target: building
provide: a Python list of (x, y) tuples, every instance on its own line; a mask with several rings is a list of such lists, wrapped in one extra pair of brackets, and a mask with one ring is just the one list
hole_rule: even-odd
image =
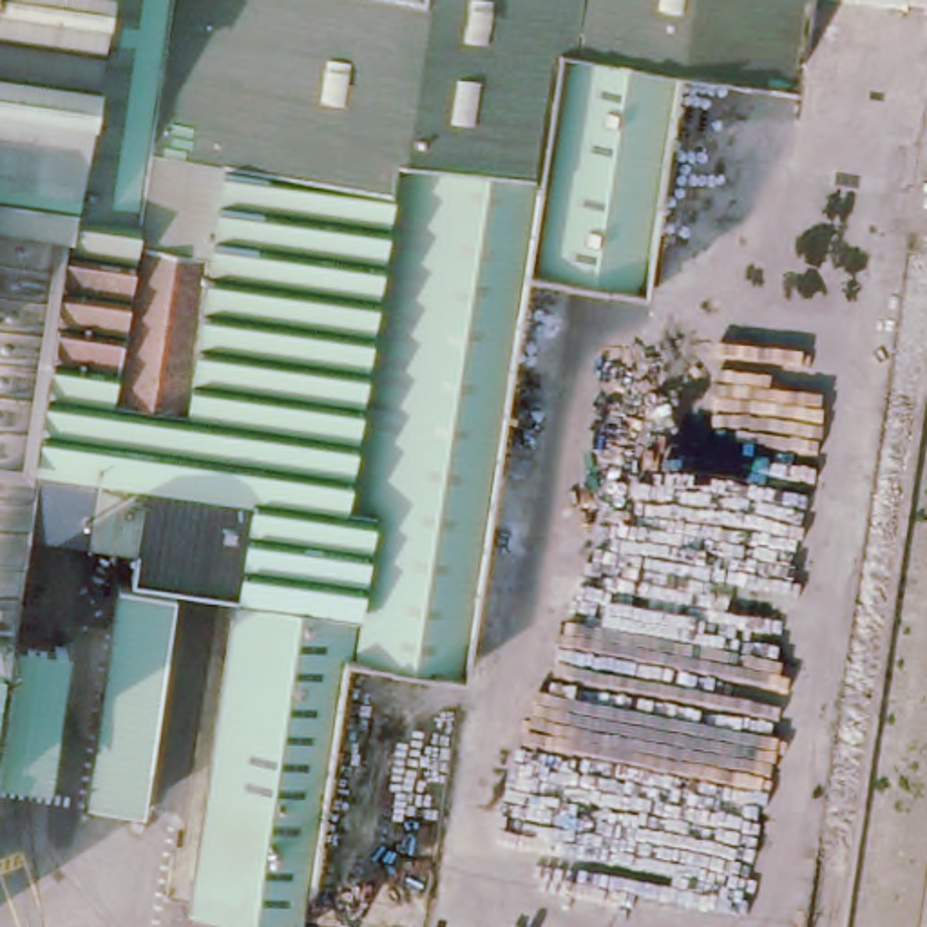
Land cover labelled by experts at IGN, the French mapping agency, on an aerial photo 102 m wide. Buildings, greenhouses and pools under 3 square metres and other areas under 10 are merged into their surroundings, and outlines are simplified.
[(844, 0), (876, 11), (920, 11), (927, 4), (927, 0)]
[(467, 645), (478, 645), (485, 616), (492, 536), (500, 521), (507, 438), (514, 427), (521, 340), (529, 326), (532, 293), (587, 297), (619, 308), (641, 308), (648, 315), (645, 293), (663, 286), (655, 279), (655, 261), (666, 221), (670, 163), (684, 112), (684, 80), (800, 91), (804, 65), (822, 43), (836, 0), (0, 0), (0, 800), (51, 800), (62, 764), (80, 782), (91, 779), (94, 815), (148, 815), (145, 822), (156, 826), (167, 811), (188, 811), (192, 786), (185, 779), (196, 771), (196, 742), (206, 724), (210, 670), (214, 663), (221, 663), (225, 684), (210, 760), (203, 873), (192, 898), (192, 920), (203, 927), (319, 927), (326, 909), (315, 902), (315, 894), (322, 884), (322, 862), (330, 844), (330, 808), (351, 677), (413, 681), (420, 695), (427, 695), (435, 681), (467, 681)]
[(927, 453), (920, 456), (913, 474), (913, 503), (898, 558), (887, 655), (880, 677), (880, 710), (869, 750), (869, 786), (862, 800), (858, 851), (851, 873), (847, 927), (927, 927)]

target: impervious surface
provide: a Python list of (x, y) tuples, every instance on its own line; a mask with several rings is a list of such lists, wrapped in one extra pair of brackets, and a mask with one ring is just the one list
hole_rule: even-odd
[(670, 163), (666, 221), (655, 261), (655, 279), (663, 286), (645, 293), (648, 315), (641, 308), (619, 308), (587, 297), (532, 293), (529, 326), (521, 340), (514, 427), (507, 438), (500, 521), (492, 536), (485, 616), (478, 645), (467, 645), (467, 681), (435, 681), (427, 695), (420, 695), (413, 681), (351, 677), (330, 808), (330, 844), (322, 862), (322, 884), (315, 894), (315, 902), (326, 909), (319, 927), (847, 927), (851, 873), (858, 851), (862, 800), (869, 786), (869, 750), (880, 710), (880, 677), (887, 655), (898, 558), (913, 503), (913, 474), (920, 456), (927, 453), (927, 4), (920, 11), (876, 11), (844, 0), (836, 0), (822, 43), (804, 65), (800, 91), (684, 80), (684, 112)]
[(203, 927), (192, 920), (192, 898), (203, 873), (210, 760), (225, 684), (221, 663), (214, 663), (210, 670), (206, 724), (196, 742), (196, 771), (185, 779), (192, 786), (188, 811), (167, 811), (156, 826), (145, 822), (148, 815), (94, 815), (91, 779), (80, 782), (62, 764), (51, 800), (0, 800), (0, 927)]

